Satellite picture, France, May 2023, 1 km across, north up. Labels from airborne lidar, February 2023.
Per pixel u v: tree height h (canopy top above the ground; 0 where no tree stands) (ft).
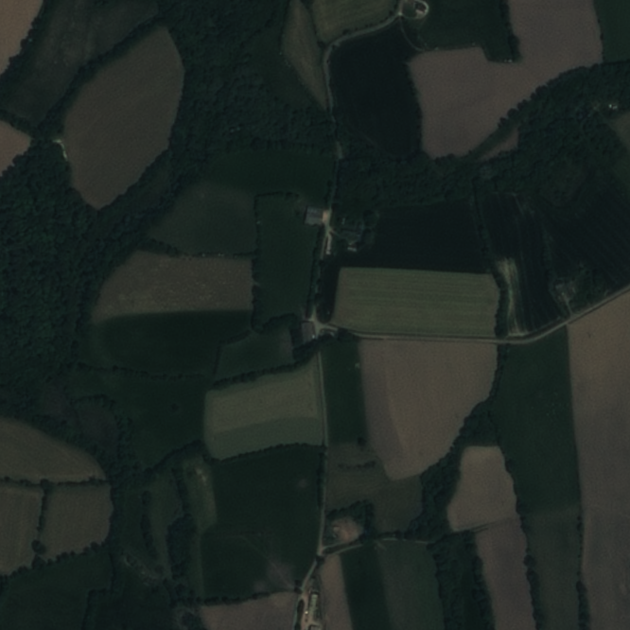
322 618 0
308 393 0
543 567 0
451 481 46
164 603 0
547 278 40
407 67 29
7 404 45
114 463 33
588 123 21
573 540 0
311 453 0
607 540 0
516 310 0
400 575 0
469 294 0
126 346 0
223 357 0
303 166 0
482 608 50
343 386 0
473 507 0
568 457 0
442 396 0
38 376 64
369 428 0
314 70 0
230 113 44
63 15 0
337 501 0
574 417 0
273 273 0
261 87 22
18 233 58
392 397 0
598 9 0
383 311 0
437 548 22
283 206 0
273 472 0
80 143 0
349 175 61
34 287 65
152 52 0
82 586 0
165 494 0
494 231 0
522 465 0
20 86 0
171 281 0
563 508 0
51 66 0
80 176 0
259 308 38
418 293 0
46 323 72
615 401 0
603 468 0
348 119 0
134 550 0
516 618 0
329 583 0
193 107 43
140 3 0
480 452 0
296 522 0
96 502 0
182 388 0
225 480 0
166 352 0
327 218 0
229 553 0
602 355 0
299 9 0
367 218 49
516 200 0
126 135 0
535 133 39
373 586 0
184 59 46
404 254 0
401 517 0
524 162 33
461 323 0
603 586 0
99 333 0
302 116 29
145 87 0
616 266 0
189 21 44
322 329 0
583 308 0
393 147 0
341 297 0
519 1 0
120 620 0
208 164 47
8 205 67
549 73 0
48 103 0
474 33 0
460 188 32
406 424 0
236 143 34
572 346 0
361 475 0
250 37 23
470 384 0
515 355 0
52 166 50
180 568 46
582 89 35
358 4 0
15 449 0
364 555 0
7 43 0
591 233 0
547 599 0
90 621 40
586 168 0
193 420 0
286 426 0
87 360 0
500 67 0
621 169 0
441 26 0
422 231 0
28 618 0
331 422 0
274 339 0
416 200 20
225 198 0
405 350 0
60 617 0
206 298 0
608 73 57
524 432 0
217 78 20
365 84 0
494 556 0
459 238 0
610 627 0
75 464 0
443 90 0
